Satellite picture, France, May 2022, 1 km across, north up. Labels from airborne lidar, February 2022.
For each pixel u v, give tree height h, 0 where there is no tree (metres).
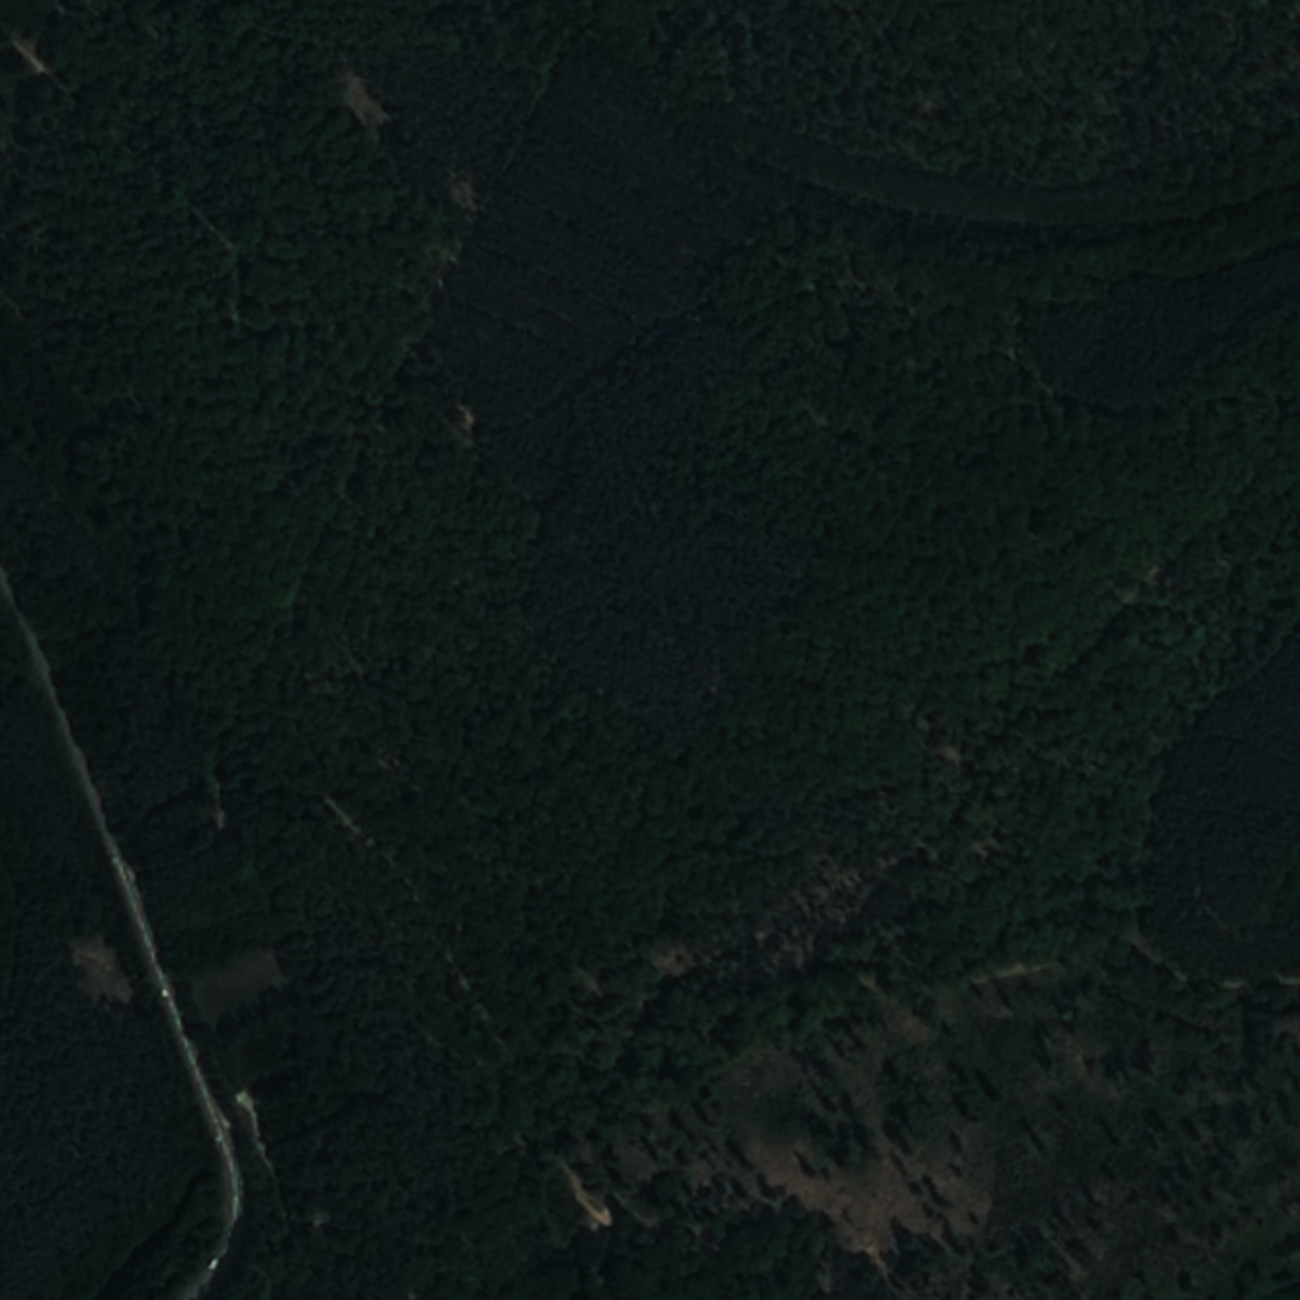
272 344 27
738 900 27
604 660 25
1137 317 20
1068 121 24
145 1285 27
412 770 29
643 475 21
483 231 16
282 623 24
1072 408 32
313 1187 25
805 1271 25
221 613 31
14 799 29
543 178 16
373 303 29
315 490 29
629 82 13
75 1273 27
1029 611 24
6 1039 20
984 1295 22
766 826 27
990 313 29
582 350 19
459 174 28
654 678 28
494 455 16
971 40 26
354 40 27
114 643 26
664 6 13
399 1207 27
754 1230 25
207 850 25
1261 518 27
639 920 22
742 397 22
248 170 22
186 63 25
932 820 18
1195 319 18
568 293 18
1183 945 16
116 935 11
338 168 23
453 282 16
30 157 26
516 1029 28
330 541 25
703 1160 0
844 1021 0
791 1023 43
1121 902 25
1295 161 29
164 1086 25
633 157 16
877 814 20
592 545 25
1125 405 15
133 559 7
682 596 26
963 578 28
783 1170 0
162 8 15
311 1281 23
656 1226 0
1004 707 26
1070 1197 0
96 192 24
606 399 28
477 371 21
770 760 26
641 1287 27
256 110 23
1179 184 25
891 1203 0
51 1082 23
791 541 26
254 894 27
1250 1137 29
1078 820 31
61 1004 25
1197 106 24
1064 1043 0
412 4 24
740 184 18
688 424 28
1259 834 21
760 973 36
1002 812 28
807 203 16
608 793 28
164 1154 25
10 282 13
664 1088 35
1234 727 23
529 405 16
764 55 28
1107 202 17
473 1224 26
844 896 21
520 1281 28
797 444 24
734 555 26
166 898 25
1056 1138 0
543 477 18
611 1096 31
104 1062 23
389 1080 20
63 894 25
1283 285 16
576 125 16
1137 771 30
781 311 26
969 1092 34
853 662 25
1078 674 25
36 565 26
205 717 28
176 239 26
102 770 25
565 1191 14
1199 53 25
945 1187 0
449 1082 27
